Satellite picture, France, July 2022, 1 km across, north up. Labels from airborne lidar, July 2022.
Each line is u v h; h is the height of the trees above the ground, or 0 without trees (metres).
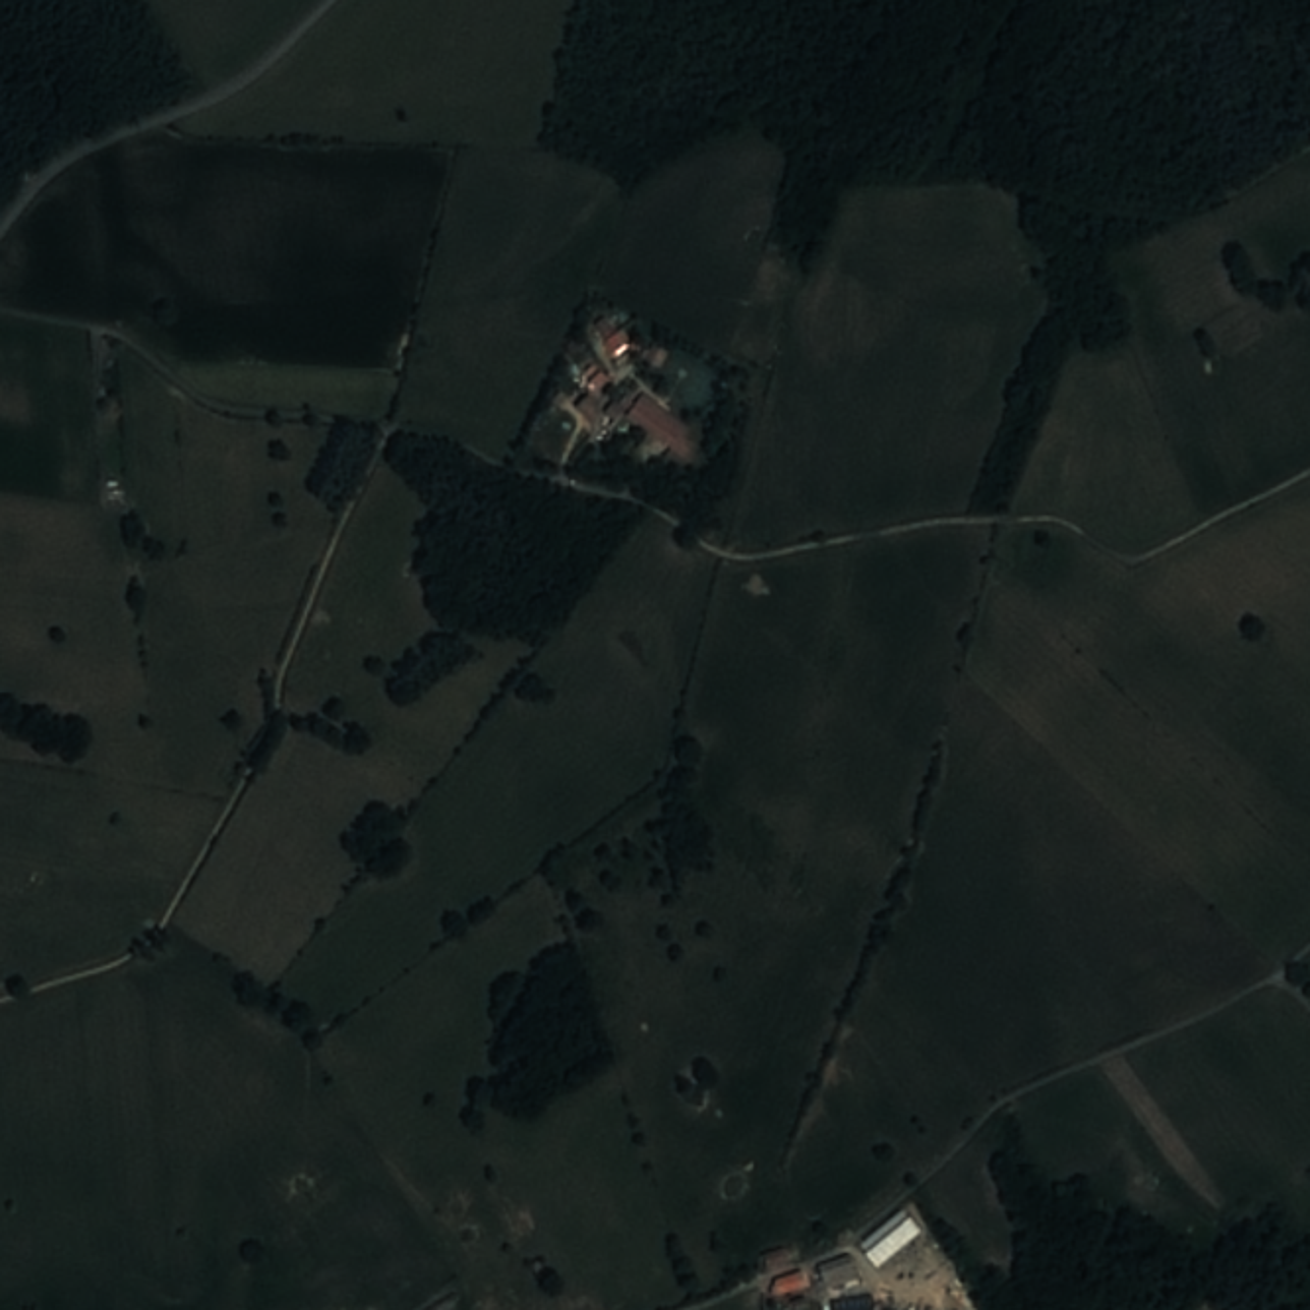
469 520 12
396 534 0
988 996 0
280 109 0
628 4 16
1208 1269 15
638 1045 0
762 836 0
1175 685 0
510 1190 0
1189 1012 0
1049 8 14
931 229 0
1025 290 0
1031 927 0
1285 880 0
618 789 0
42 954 0
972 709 0
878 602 0
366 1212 0
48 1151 0
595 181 0
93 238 0
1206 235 0
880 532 0
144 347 0
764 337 0
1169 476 0
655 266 0
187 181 0
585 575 15
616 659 0
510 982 15
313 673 0
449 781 0
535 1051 21
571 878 0
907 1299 0
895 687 0
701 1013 0
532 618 15
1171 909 0
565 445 0
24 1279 0
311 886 0
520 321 0
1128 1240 22
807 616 0
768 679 0
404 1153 0
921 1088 0
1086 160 12
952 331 0
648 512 10
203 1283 0
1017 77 18
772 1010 0
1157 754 0
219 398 0
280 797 0
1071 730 0
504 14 0
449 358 0
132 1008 0
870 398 0
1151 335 0
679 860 16
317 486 22
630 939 0
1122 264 0
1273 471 0
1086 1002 0
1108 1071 0
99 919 0
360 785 0
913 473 0
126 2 19
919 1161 0
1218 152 13
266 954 0
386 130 0
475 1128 11
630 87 13
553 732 0
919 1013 0
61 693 0
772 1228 0
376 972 0
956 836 0
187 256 0
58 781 0
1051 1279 16
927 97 14
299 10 0
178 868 0
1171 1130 0
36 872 0
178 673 0
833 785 0
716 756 0
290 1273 0
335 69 0
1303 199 0
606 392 12
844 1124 0
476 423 0
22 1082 0
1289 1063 0
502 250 0
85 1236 0
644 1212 0
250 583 0
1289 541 0
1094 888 0
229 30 0
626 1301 0
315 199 0
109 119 17
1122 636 0
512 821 0
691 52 13
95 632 0
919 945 0
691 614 0
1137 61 11
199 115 0
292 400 0
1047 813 0
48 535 0
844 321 0
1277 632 0
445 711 0
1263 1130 0
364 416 0
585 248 0
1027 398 8
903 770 0
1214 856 0
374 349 0
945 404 0
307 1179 0
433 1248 0
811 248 18
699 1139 0
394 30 0
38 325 0
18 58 17
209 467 0
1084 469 0
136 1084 0
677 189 0
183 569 0
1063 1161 0
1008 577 0
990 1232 0
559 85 9
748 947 0
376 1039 0
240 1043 0
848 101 27
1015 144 25
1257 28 10
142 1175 0
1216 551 0
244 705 0
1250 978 0
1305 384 0
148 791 0
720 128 18
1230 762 0
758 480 0
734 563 0
